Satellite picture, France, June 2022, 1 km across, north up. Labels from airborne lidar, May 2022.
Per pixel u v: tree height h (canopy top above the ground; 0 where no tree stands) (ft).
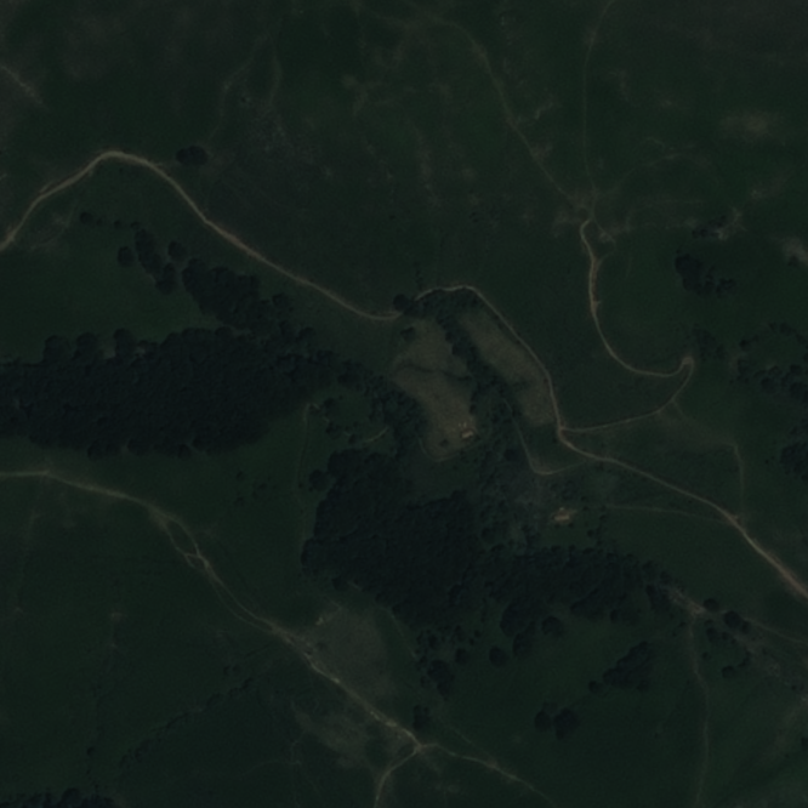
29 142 0
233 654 0
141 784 0
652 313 0
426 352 0
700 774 0
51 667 0
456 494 36
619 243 0
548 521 0
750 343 44
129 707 0
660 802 0
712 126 0
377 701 0
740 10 0
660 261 0
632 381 0
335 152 0
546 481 0
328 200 0
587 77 0
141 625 0
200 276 91
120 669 0
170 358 98
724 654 0
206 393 101
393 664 0
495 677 0
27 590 0
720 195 0
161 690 0
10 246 0
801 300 0
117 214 0
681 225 0
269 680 0
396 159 0
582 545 0
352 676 0
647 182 0
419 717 47
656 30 0
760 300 0
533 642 54
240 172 0
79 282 0
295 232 0
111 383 103
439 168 0
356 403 0
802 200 0
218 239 0
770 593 0
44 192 0
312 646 0
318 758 0
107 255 0
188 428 64
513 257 0
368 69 0
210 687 0
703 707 0
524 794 0
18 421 75
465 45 0
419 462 0
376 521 88
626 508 0
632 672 78
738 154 0
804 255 0
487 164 0
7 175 0
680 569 0
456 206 0
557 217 0
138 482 0
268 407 85
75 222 0
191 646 0
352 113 0
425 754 0
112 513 0
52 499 0
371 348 0
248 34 0
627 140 0
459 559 97
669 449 0
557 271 0
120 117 0
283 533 0
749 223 0
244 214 0
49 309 0
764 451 0
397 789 0
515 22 0
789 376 27
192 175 0
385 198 0
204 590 0
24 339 0
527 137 0
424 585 101
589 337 0
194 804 0
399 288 0
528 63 0
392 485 94
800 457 73
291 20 0
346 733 0
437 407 0
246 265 0
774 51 0
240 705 0
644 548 0
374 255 0
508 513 48
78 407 73
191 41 0
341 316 0
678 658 0
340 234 0
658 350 0
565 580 101
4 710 0
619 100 0
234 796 0
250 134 0
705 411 0
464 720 0
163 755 0
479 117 0
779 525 0
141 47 0
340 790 0
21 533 0
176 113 0
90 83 0
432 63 0
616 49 0
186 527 0
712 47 0
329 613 0
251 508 0
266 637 0
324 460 0
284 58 0
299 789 0
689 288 45
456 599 90
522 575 84
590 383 0
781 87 0
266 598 0
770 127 0
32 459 0
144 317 0
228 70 0
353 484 73
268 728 0
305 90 0
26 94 0
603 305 0
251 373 102
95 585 0
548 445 0
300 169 0
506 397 35
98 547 0
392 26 0
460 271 0
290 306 43
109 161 0
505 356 0
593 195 0
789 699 0
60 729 0
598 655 0
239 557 0
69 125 0
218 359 110
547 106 0
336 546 91
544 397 0
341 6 0
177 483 0
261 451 0
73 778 0
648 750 0
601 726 0
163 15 0
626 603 96
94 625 0
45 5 0
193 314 0
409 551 109
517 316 0
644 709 0
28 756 0
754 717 0
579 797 0
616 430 0
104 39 0
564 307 0
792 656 0
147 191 0
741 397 0
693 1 0
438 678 53
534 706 0
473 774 0
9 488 0
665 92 0
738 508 0
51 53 0
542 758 0
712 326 0
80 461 0
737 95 0
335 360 81
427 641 28
